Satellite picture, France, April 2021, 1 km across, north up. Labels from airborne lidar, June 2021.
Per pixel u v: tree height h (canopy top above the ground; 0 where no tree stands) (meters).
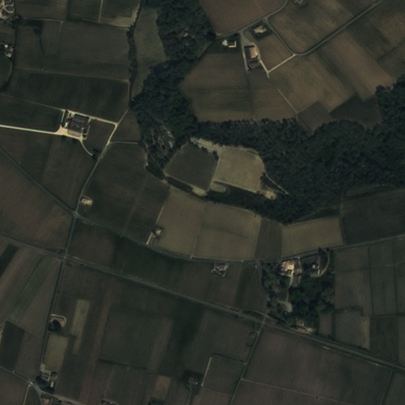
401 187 18
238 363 0
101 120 0
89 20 0
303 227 0
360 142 17
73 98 0
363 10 0
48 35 0
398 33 0
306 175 23
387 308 0
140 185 0
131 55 15
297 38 0
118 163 0
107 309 0
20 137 0
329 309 27
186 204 0
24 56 0
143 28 0
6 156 0
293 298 18
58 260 0
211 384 0
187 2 20
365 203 0
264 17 0
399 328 0
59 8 0
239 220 0
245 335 0
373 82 0
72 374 0
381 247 0
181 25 13
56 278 0
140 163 0
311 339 0
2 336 0
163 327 0
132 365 0
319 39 0
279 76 0
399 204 0
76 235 0
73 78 0
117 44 0
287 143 17
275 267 9
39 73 0
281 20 0
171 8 18
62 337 0
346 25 0
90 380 0
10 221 0
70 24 0
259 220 0
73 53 0
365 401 0
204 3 0
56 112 0
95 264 0
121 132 0
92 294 0
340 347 0
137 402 0
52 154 0
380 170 21
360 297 0
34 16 0
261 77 0
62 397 0
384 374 0
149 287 0
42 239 0
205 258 0
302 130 14
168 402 0
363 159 21
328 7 0
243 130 21
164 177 0
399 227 0
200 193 0
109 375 0
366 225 0
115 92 0
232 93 0
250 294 0
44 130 0
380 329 0
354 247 0
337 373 0
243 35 0
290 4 0
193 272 0
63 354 0
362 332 0
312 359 0
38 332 0
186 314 0
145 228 0
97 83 0
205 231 0
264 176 11
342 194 28
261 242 0
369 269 0
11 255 0
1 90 0
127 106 0
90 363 0
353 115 0
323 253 17
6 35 0
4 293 0
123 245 0
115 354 0
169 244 0
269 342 0
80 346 0
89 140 0
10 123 0
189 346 0
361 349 11
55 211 0
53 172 0
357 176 18
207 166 0
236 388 0
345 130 18
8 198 0
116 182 0
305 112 0
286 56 0
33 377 0
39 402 0
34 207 0
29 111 0
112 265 0
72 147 0
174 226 0
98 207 0
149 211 0
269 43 0
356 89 0
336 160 22
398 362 0
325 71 0
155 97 23
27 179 0
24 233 0
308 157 19
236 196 5
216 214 0
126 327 0
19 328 0
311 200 16
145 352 0
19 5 0
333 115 0
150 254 0
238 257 0
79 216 0
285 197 19
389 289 0
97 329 0
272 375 0
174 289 0
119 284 0
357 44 0
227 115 0
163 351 0
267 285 21
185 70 24
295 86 0
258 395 0
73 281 0
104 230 0
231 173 0
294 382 0
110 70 0
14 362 0
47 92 0
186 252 0
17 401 0
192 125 14
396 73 0
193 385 8
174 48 20
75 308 0
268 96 0
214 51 0
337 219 0
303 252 0
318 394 0
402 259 0
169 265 0
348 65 0
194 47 20
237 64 0
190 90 0
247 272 0
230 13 0
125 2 0
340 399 0
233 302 0
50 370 0
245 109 0
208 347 0
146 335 0
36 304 0
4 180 0
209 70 0
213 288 0
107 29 0
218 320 0
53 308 0
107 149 0
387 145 18
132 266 0
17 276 0
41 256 0
